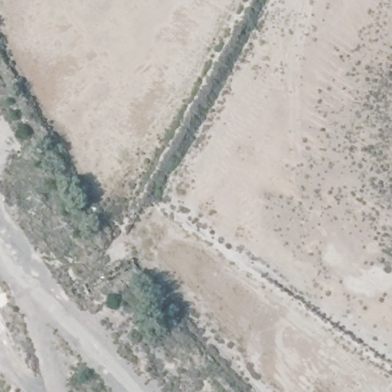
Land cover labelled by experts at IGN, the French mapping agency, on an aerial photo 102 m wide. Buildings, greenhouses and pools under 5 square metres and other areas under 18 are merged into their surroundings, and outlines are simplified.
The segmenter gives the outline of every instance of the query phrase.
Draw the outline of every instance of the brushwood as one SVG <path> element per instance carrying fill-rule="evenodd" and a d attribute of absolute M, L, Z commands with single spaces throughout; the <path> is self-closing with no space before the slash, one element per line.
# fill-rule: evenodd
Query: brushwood
<path fill-rule="evenodd" d="M 204 64 L 204 69 L 194 83 L 190 96 L 182 101 L 178 115 L 165 130 L 165 135 L 158 135 L 159 147 L 156 147 L 152 158 L 145 159 L 145 171 L 141 173 L 141 181 L 119 181 L 113 188 L 110 198 L 104 198 L 100 182 L 96 181 L 95 176 L 90 173 L 83 175 L 77 170 L 77 165 L 70 155 L 70 142 L 55 130 L 54 121 L 43 115 L 37 96 L 31 92 L 31 84 L 18 73 L 17 64 L 11 58 L 8 38 L 0 31 L 0 110 L 21 144 L 20 150 L 15 150 L 6 158 L 5 171 L 0 176 L 0 193 L 5 196 L 6 205 L 17 205 L 18 227 L 31 240 L 34 250 L 41 254 L 44 266 L 51 271 L 58 285 L 64 289 L 67 296 L 75 300 L 81 311 L 93 314 L 106 306 L 121 312 L 121 325 L 115 325 L 109 318 L 103 318 L 101 323 L 112 334 L 113 345 L 116 346 L 119 357 L 132 364 L 138 363 L 136 355 L 144 351 L 147 357 L 147 371 L 158 380 L 164 392 L 254 392 L 247 378 L 234 371 L 231 361 L 220 355 L 216 346 L 207 345 L 205 331 L 198 325 L 199 312 L 185 302 L 181 288 L 176 285 L 175 280 L 170 279 L 170 273 L 144 268 L 139 263 L 136 247 L 132 248 L 132 259 L 112 260 L 107 250 L 119 236 L 119 227 L 124 217 L 129 219 L 127 233 L 130 233 L 141 220 L 145 208 L 153 207 L 159 202 L 170 201 L 164 194 L 168 176 L 184 161 L 201 122 L 205 121 L 205 116 L 219 95 L 220 87 L 224 86 L 228 75 L 233 73 L 234 63 L 242 52 L 243 44 L 250 37 L 250 32 L 262 29 L 263 24 L 257 20 L 268 0 L 254 0 L 250 8 L 237 8 L 237 14 L 242 12 L 245 17 L 234 26 L 233 40 L 230 44 L 217 44 L 216 51 L 222 57 L 217 63 L 207 61 Z M 138 273 L 144 273 L 161 288 L 161 292 L 155 296 L 156 305 L 162 314 L 159 325 L 171 331 L 161 348 L 168 361 L 173 358 L 181 360 L 178 375 L 175 377 L 150 351 L 153 346 L 159 348 L 153 340 L 149 343 L 142 340 L 138 325 L 132 322 L 133 312 L 127 312 L 136 305 L 136 297 L 130 291 L 129 283 Z"/>
<path fill-rule="evenodd" d="M 69 392 L 112 392 L 110 387 L 104 384 L 103 377 L 84 363 L 78 363 L 77 366 L 70 367 L 73 375 L 69 380 Z"/>
<path fill-rule="evenodd" d="M 294 286 L 285 286 L 268 273 L 262 273 L 263 279 L 273 283 L 292 299 L 299 300 L 306 309 L 322 318 L 323 322 L 349 335 L 358 345 L 364 346 L 366 351 L 384 360 L 386 355 L 367 345 L 363 338 L 355 335 L 355 332 L 349 331 L 318 306 L 308 302 L 303 297 L 303 291 Z"/>

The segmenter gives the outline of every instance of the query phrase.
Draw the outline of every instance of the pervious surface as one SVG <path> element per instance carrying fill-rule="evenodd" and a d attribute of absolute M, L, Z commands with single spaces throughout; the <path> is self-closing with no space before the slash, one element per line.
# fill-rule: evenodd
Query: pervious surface
<path fill-rule="evenodd" d="M 161 348 L 159 348 L 153 346 L 150 351 L 175 377 L 178 375 L 181 360 L 173 358 L 168 361 Z"/>
<path fill-rule="evenodd" d="M 5 171 L 6 158 L 15 150 L 20 150 L 21 144 L 0 110 L 0 176 Z"/>
<path fill-rule="evenodd" d="M 84 363 L 83 355 L 73 351 L 60 329 L 55 328 L 52 334 L 58 340 L 51 341 L 51 351 L 63 351 L 66 355 L 72 355 L 77 358 L 78 363 Z"/>
<path fill-rule="evenodd" d="M 34 374 L 31 367 L 26 364 L 24 349 L 14 351 L 11 331 L 6 328 L 0 314 L 0 392 L 47 392 L 40 371 Z"/>
<path fill-rule="evenodd" d="M 121 325 L 121 312 L 106 306 L 93 314 L 96 322 L 101 323 L 103 318 L 109 318 L 115 325 Z"/>
<path fill-rule="evenodd" d="M 136 355 L 138 363 L 132 364 L 133 372 L 136 374 L 133 378 L 144 392 L 164 392 L 158 380 L 147 371 L 147 357 L 144 351 Z"/>
<path fill-rule="evenodd" d="M 205 116 L 205 121 L 201 122 L 184 161 L 168 176 L 164 194 L 170 201 L 159 202 L 153 207 L 145 208 L 141 220 L 130 233 L 127 233 L 129 219 L 124 217 L 119 227 L 119 236 L 107 250 L 112 260 L 132 259 L 132 248 L 136 247 L 139 263 L 144 268 L 170 273 L 170 279 L 175 280 L 176 285 L 181 288 L 185 302 L 199 312 L 198 325 L 205 331 L 207 345 L 216 346 L 220 355 L 231 361 L 234 371 L 247 378 L 254 392 L 392 392 L 392 0 L 268 0 L 257 20 L 263 24 L 262 29 L 250 32 L 250 37 L 243 44 L 242 52 L 234 63 L 233 73 L 228 75 L 224 86 L 220 87 L 219 95 Z M 292 299 L 273 283 L 263 279 L 262 273 L 268 273 L 285 286 L 294 286 L 303 291 L 303 297 L 308 302 L 318 306 L 349 331 L 355 332 L 355 335 L 363 338 L 367 345 L 386 355 L 384 360 L 366 351 L 364 346 L 358 345 L 349 335 L 323 322 L 322 318 L 306 309 L 299 300 Z"/>
<path fill-rule="evenodd" d="M 145 171 L 145 159 L 152 158 L 156 147 L 159 147 L 158 135 L 165 135 L 165 130 L 178 115 L 182 101 L 190 96 L 194 83 L 204 69 L 204 64 L 207 61 L 217 63 L 222 57 L 216 51 L 217 44 L 230 44 L 233 40 L 234 26 L 245 17 L 242 12 L 237 14 L 237 8 L 250 8 L 254 0 L 0 0 L 0 31 L 8 38 L 11 58 L 17 64 L 18 73 L 31 84 L 31 92 L 37 96 L 43 115 L 54 121 L 55 130 L 70 142 L 70 155 L 77 165 L 77 170 L 83 175 L 90 173 L 95 176 L 96 181 L 100 182 L 104 198 L 110 198 L 113 188 L 119 181 L 141 181 L 141 173 Z"/>

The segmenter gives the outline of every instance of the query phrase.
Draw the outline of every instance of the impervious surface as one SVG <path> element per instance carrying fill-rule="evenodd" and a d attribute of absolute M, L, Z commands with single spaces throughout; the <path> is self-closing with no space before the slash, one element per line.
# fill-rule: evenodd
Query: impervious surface
<path fill-rule="evenodd" d="M 113 345 L 112 334 L 101 323 L 96 322 L 93 314 L 81 311 L 75 300 L 67 296 L 64 289 L 58 285 L 51 271 L 44 266 L 41 254 L 34 250 L 31 240 L 18 227 L 17 205 L 6 205 L 5 196 L 0 193 L 0 277 L 8 282 L 15 305 L 24 312 L 24 322 L 28 325 L 29 337 L 34 343 L 40 371 L 47 392 L 69 392 L 69 380 L 73 375 L 70 367 L 77 366 L 78 363 L 77 358 L 72 355 L 66 355 L 63 351 L 51 351 L 51 341 L 58 340 L 52 334 L 55 328 L 60 329 L 73 351 L 83 355 L 84 363 L 103 377 L 104 384 L 110 387 L 112 392 L 144 392 L 133 378 L 136 374 L 133 372 L 132 364 L 119 357 L 116 346 Z"/>

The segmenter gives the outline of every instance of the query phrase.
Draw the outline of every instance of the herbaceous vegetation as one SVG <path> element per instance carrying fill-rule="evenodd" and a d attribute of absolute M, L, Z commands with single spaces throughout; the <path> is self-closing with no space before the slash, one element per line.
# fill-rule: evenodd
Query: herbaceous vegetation
<path fill-rule="evenodd" d="M 8 282 L 0 277 L 0 314 L 6 328 L 11 331 L 14 351 L 24 349 L 26 364 L 31 367 L 34 374 L 40 371 L 34 343 L 29 337 L 28 325 L 24 322 L 24 312 L 15 305 Z"/>

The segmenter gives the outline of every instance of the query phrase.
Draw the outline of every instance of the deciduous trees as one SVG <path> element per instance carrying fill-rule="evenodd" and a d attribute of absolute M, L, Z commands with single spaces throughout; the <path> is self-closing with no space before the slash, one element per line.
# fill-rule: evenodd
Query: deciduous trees
<path fill-rule="evenodd" d="M 171 331 L 159 325 L 162 314 L 156 305 L 155 296 L 161 292 L 161 288 L 144 273 L 138 273 L 129 283 L 130 291 L 136 297 L 136 305 L 127 312 L 133 312 L 132 322 L 138 325 L 142 340 L 149 343 L 153 340 L 159 348 L 161 348 Z"/>

